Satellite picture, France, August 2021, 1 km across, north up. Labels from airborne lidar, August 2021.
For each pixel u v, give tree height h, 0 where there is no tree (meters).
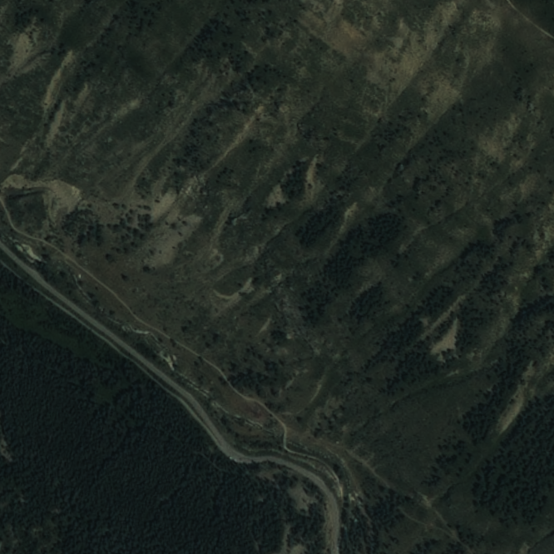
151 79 0
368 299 13
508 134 0
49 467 20
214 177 0
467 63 0
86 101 0
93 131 0
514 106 0
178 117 0
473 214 0
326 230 8
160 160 0
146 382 7
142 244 0
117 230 18
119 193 0
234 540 23
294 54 0
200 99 0
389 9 0
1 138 0
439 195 0
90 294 0
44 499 22
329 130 0
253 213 0
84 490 27
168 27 0
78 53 0
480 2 0
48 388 26
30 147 0
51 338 0
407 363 11
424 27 0
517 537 0
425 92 0
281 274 0
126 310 0
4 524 16
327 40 0
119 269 0
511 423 0
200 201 0
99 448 27
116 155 0
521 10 0
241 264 0
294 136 0
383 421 0
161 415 27
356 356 0
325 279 7
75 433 27
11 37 0
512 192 0
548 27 0
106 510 16
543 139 0
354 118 0
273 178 0
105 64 0
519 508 19
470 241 0
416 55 0
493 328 0
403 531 0
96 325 0
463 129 0
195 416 0
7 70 0
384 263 0
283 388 0
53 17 0
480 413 13
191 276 0
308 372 0
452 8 0
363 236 14
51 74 0
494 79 0
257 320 0
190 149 9
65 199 0
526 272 0
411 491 0
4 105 0
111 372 17
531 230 0
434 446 0
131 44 0
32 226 0
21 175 0
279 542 23
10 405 26
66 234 7
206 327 0
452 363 12
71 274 0
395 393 14
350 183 8
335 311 0
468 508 0
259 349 0
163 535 26
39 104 0
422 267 0
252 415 0
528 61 0
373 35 0
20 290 24
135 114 0
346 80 0
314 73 0
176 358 0
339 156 0
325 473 0
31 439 19
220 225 0
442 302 6
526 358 11
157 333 0
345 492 0
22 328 0
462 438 0
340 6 0
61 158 0
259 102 0
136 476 25
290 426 0
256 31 0
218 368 0
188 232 0
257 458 0
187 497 23
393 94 0
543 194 0
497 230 13
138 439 23
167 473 24
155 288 0
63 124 0
